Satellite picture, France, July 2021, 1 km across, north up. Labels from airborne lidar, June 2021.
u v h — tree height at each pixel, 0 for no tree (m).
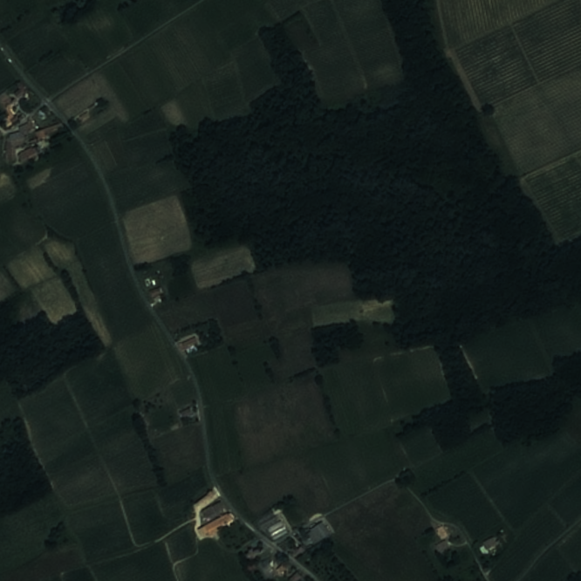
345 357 0
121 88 0
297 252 16
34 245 0
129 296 0
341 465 0
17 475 19
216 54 0
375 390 0
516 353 0
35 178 0
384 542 0
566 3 0
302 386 0
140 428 18
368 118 14
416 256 16
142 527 0
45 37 0
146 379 0
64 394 0
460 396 17
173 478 0
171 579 0
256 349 0
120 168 0
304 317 0
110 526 0
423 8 14
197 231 12
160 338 0
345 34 0
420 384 0
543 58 0
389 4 17
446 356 12
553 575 0
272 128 23
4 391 0
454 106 19
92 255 0
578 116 0
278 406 0
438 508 0
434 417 20
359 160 23
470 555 0
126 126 0
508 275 24
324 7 0
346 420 0
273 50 18
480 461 0
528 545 0
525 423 21
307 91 18
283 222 19
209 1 0
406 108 16
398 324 19
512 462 0
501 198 18
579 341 0
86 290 0
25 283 0
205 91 0
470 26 0
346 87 0
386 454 0
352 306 0
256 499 0
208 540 0
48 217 0
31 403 0
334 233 23
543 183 0
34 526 0
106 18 0
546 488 0
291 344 0
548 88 0
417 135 23
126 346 0
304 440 0
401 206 24
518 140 0
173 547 0
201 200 9
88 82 0
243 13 0
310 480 0
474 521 0
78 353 16
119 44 0
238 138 28
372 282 18
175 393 0
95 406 0
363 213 25
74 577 0
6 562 0
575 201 0
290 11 0
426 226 22
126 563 0
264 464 0
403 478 12
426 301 24
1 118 8
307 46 0
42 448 0
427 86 23
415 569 0
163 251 0
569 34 0
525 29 0
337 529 0
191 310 0
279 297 0
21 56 0
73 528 0
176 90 0
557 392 17
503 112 0
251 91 0
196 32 0
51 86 0
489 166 17
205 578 0
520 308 20
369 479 0
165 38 0
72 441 0
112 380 0
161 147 0
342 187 22
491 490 0
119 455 0
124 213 0
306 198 27
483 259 25
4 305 16
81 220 0
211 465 0
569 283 22
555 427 24
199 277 0
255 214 22
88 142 0
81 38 0
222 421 0
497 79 0
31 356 23
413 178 26
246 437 0
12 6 0
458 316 18
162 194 0
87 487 0
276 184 20
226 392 0
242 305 0
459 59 0
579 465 0
